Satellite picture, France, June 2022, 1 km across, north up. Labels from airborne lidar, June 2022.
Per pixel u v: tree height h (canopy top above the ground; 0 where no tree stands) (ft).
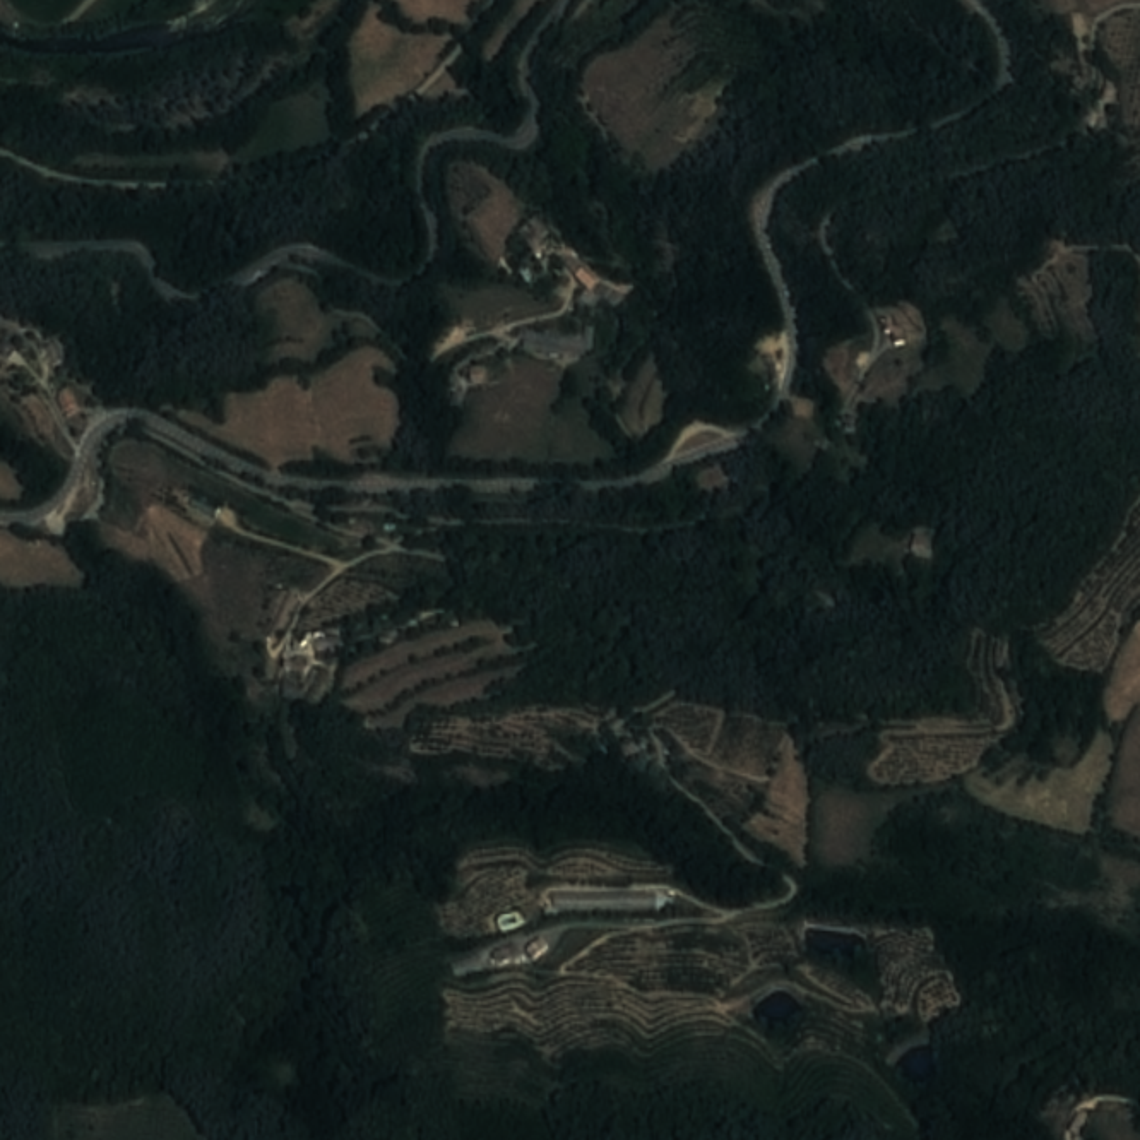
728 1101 48
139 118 73
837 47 61
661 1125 56
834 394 33
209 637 0
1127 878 0
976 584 76
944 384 0
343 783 35
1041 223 63
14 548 0
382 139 38
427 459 43
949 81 66
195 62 33
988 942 27
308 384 33
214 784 24
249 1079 38
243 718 43
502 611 32
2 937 66
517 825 45
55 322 46
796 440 0
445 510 61
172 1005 65
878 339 0
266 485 42
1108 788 24
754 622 73
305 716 44
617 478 53
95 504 0
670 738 28
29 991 69
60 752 21
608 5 36
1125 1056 62
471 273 66
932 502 83
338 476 47
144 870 58
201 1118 75
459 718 29
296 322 0
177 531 0
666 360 49
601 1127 48
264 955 53
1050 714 36
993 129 66
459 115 57
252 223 64
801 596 48
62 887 61
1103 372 44
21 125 72
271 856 44
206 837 29
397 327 55
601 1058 23
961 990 33
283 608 0
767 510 55
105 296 44
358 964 51
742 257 60
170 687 58
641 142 0
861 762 31
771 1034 40
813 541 52
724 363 59
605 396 33
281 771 29
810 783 30
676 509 0
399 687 0
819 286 53
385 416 0
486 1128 34
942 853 39
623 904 0
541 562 45
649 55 0
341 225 42
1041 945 57
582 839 25
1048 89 47
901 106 76
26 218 90
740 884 104
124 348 70
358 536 0
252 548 23
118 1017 81
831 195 44
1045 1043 41
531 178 52
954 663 51
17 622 57
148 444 23
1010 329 0
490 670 24
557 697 40
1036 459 72
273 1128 80
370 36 0
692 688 41
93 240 56
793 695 75
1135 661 0
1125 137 21
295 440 0
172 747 21
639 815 37
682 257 22
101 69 40
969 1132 36
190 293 56
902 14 17
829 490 53
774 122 57
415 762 21
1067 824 0
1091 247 33
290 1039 51
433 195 61
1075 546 65
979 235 57
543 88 36
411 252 25
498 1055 22
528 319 0
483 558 44
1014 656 25
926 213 50
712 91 0
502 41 0
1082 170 51
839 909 46
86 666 35
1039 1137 36
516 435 0
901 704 60
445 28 35
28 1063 59
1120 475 60
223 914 48
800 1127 51
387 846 39
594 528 26
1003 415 69
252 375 56
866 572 40
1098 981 38
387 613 23
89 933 74
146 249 21
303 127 0
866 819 0
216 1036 48
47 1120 59
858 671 74
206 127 93
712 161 52
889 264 24
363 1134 70
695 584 56
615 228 34
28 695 40
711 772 0
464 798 44
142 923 59
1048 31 33
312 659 0
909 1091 43
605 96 0
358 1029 48
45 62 23
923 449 30
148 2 42
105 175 37
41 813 44
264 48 26
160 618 55
